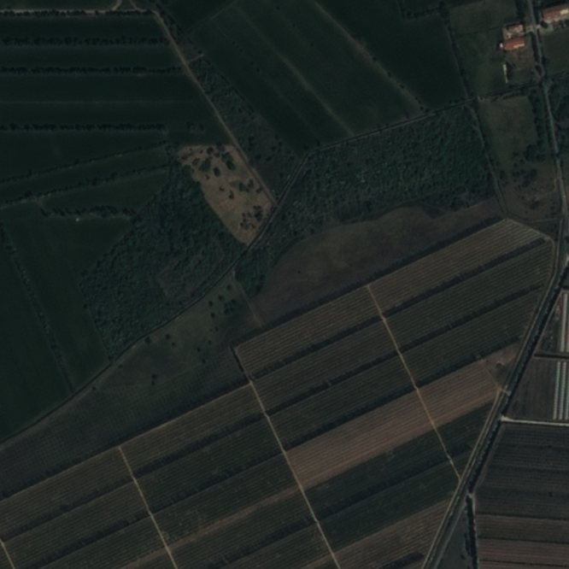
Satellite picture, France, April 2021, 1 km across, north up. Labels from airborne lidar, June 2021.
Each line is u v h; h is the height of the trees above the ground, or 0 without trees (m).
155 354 0
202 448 23
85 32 0
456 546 0
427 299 19
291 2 0
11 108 0
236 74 0
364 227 0
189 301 6
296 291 0
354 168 11
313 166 8
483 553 0
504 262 21
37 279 0
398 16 0
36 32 0
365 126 0
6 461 0
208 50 0
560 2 7
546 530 0
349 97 0
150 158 0
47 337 0
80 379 0
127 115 0
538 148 7
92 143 0
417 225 0
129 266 9
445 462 20
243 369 12
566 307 0
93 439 0
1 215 0
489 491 0
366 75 0
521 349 0
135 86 0
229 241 8
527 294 16
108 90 0
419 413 0
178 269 8
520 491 0
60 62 0
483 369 0
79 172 0
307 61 0
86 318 0
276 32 0
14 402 0
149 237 7
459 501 0
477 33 0
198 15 0
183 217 10
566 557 0
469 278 19
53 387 0
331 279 0
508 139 0
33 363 0
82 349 0
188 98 0
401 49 0
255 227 7
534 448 0
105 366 0
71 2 0
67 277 0
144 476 21
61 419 0
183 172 8
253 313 0
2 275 0
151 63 0
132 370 0
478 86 0
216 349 0
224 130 0
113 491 19
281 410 17
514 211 0
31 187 0
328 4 0
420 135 9
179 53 0
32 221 0
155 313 9
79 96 0
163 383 0
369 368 16
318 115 0
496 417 0
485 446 0
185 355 0
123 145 0
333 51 0
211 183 0
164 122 0
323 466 0
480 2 0
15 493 15
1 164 0
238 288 0
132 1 0
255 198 0
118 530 20
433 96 0
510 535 0
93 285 8
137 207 0
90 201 0
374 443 0
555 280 0
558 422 0
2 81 0
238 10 0
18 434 0
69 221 0
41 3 0
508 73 11
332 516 23
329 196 8
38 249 0
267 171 0
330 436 0
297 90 0
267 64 0
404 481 22
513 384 0
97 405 0
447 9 12
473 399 0
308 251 0
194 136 0
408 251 0
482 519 0
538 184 0
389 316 17
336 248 0
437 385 0
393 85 0
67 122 0
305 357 16
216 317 7
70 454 0
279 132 0
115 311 10
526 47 0
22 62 0
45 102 0
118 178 10
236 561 21
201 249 10
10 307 0
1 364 0
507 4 0
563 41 0
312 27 0
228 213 0
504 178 7
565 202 0
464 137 13
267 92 0
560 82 9
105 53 0
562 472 0
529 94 14
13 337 0
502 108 0
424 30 0
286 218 11
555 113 11
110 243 0
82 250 0
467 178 8
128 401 0
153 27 0
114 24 0
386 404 18
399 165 8
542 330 9
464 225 0
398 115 0
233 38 0
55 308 0
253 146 10
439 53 0
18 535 19
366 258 0
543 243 17
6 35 0
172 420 21
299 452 0
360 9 0
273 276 0
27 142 0
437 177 10
